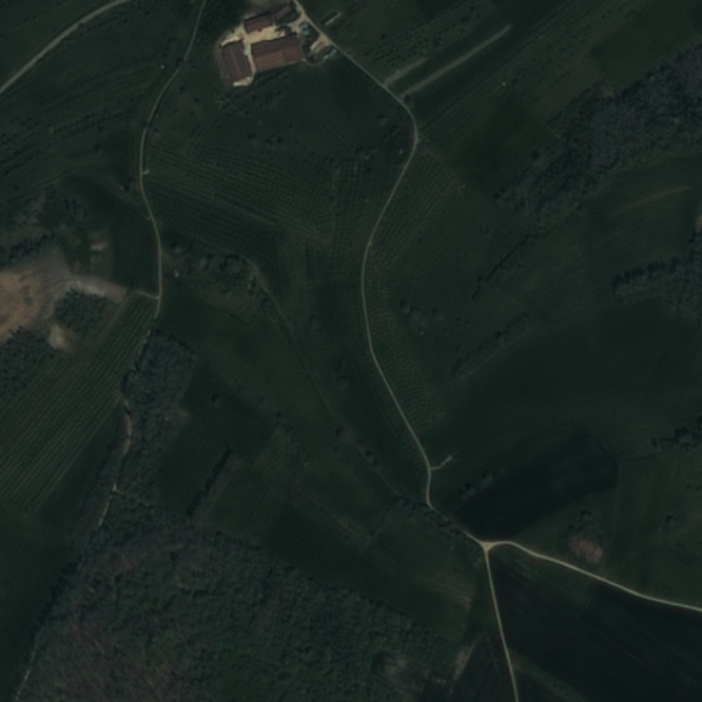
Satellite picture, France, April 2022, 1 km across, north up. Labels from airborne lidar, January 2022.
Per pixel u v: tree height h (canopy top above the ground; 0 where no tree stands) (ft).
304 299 0
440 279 0
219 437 0
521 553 0
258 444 0
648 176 0
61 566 0
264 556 46
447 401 0
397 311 0
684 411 0
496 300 0
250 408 0
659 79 49
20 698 73
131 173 0
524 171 0
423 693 0
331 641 87
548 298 0
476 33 0
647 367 0
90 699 87
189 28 0
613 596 0
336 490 0
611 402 0
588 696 0
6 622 0
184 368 63
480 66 0
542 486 0
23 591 0
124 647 79
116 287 0
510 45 0
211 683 82
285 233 0
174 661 91
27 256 52
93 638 77
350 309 0
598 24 0
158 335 32
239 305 0
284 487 0
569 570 0
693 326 0
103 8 0
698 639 0
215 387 0
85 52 0
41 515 0
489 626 0
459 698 0
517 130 0
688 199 0
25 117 0
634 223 0
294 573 46
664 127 59
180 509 0
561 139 0
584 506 0
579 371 0
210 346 0
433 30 0
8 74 0
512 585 0
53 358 56
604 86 0
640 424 0
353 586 0
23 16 0
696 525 0
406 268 0
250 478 0
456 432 0
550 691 0
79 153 0
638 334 0
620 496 0
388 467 0
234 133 0
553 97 0
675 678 0
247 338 0
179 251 39
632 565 0
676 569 0
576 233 0
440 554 0
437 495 0
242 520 0
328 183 0
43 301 0
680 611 0
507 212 0
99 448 0
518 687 0
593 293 0
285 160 0
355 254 0
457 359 0
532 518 0
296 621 63
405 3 0
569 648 0
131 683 78
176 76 0
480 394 0
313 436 0
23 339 40
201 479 0
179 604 72
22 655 0
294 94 0
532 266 0
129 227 0
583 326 0
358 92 0
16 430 0
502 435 0
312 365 0
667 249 0
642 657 0
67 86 0
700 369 0
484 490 0
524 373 0
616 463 0
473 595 0
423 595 0
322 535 0
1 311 0
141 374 51
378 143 0
